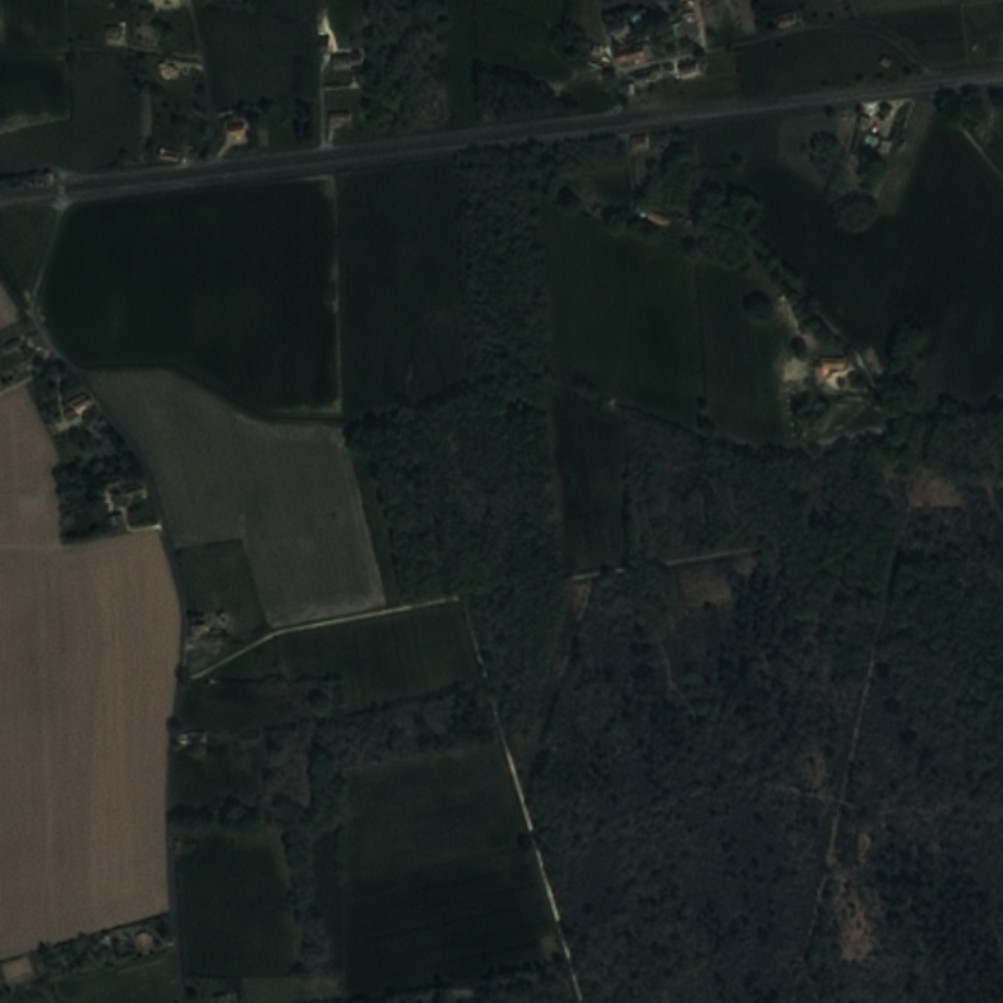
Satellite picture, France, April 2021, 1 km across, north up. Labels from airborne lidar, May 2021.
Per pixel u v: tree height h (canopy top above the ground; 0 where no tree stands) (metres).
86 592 0
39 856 0
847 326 0
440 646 0
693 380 0
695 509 8
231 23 0
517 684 19
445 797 0
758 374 0
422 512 23
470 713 16
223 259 0
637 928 7
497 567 24
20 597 0
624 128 0
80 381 9
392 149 0
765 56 0
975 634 24
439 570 22
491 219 10
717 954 9
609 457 0
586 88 0
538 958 0
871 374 0
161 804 0
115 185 0
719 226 19
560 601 21
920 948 11
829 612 14
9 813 0
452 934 0
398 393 0
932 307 0
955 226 0
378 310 0
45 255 0
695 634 0
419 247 0
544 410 13
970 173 0
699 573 0
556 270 0
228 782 0
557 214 0
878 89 0
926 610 24
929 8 0
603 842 10
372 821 0
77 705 0
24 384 0
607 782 18
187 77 0
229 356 0
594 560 0
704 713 12
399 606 0
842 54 0
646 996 14
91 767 0
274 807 6
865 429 0
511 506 19
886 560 23
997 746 20
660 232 18
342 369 0
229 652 0
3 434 0
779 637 20
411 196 0
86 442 15
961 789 11
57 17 0
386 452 21
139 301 0
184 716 0
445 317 0
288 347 0
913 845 6
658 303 0
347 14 0
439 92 13
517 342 18
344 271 0
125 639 0
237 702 0
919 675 15
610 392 0
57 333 0
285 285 0
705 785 12
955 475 16
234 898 0
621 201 0
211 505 0
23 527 0
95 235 0
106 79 0
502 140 0
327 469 0
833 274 0
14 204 0
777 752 13
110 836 0
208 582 0
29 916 0
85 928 0
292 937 0
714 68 0
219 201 0
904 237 0
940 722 12
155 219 0
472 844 0
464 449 17
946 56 0
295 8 0
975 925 16
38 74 0
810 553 22
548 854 13
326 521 0
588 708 18
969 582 15
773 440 0
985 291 0
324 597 0
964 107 21
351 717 9
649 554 15
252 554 0
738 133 0
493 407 25
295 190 0
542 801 13
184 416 0
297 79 0
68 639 0
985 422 12
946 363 0
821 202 0
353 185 0
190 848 10
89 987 0
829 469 18
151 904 0
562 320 0
